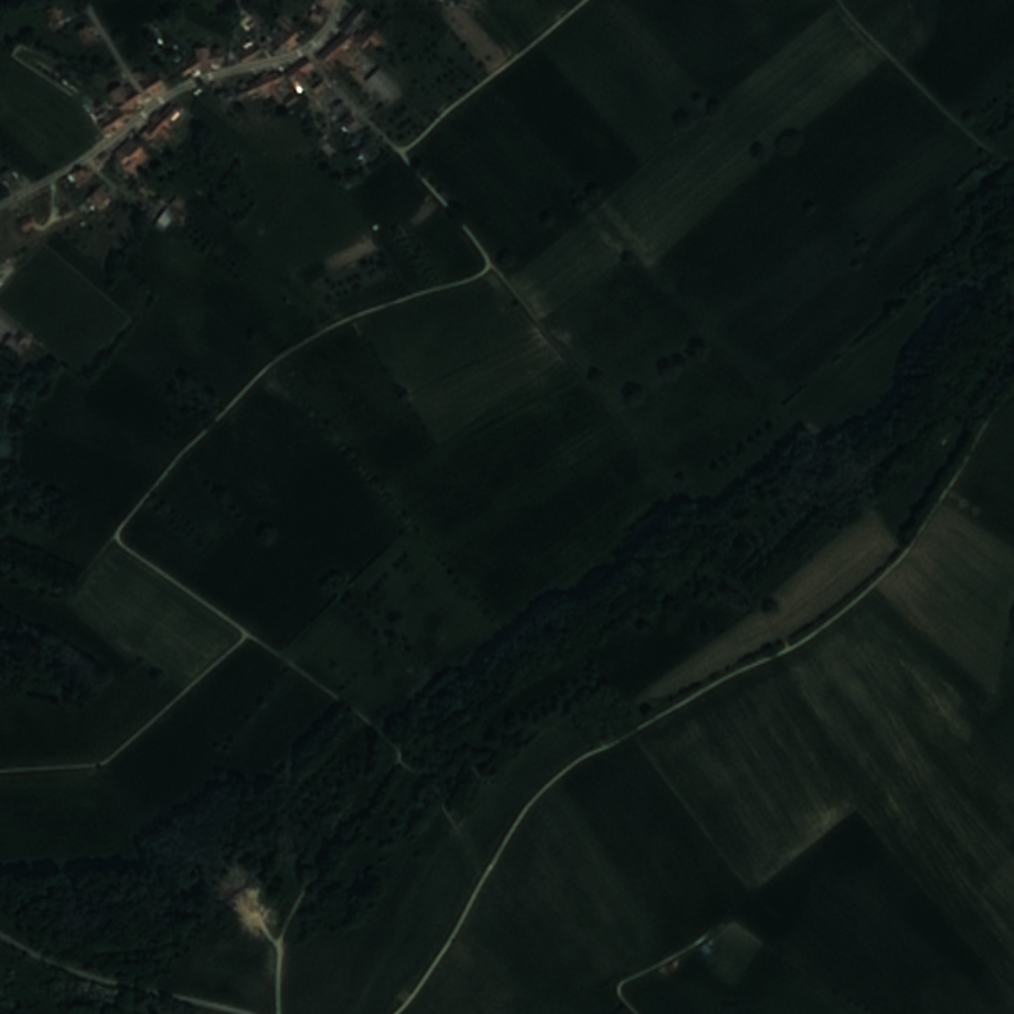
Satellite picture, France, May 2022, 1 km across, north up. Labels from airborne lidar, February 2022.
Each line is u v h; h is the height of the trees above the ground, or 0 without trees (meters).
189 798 0
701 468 0
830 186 0
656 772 0
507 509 0
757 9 0
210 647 0
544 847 0
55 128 0
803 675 0
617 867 0
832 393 0
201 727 0
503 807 0
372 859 0
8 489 12
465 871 0
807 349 0
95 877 25
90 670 22
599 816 0
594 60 0
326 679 0
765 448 0
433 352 0
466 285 0
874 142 0
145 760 0
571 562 0
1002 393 17
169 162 15
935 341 28
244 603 0
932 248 0
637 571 20
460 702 17
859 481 16
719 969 0
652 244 0
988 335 20
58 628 0
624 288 0
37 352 0
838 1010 0
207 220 0
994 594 0
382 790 8
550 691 0
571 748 0
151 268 0
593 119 0
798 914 0
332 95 0
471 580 0
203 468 0
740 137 0
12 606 0
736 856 0
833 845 0
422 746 8
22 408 16
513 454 0
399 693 0
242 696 0
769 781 0
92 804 0
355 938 0
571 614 23
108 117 0
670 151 0
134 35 0
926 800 0
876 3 0
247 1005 0
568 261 0
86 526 0
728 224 0
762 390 0
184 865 18
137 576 0
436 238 0
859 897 0
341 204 0
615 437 0
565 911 0
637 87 0
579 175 0
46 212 0
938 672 0
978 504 0
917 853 0
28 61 0
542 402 0
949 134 0
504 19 0
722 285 0
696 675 0
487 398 0
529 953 0
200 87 13
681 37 0
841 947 0
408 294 0
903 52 0
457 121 0
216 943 0
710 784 0
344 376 0
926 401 22
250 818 20
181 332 0
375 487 6
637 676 0
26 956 0
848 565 0
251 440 0
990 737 0
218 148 8
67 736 0
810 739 0
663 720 0
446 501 0
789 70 0
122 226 0
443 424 0
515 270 0
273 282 0
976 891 0
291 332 0
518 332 0
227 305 0
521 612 0
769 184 0
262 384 0
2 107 0
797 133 9
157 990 0
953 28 0
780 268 0
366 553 0
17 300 0
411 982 0
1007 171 9
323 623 0
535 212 0
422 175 10
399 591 0
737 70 0
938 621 0
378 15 13
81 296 0
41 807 0
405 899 0
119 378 0
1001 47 0
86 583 0
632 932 0
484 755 8
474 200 0
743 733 0
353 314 0
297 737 0
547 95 0
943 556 0
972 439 9
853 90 0
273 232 0
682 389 0
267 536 13
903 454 12
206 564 0
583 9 0
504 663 22
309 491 0
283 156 0
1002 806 0
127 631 0
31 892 22
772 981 0
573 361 0
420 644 0
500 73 0
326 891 18
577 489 0
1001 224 17
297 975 0
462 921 0
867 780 0
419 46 0
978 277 8
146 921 25
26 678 0
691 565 18
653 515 10
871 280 0
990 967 0
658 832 0
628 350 0
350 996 0
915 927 0
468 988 0
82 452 0
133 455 0
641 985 0
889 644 0
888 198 0
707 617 0
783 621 0
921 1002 0
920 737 0
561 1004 0
